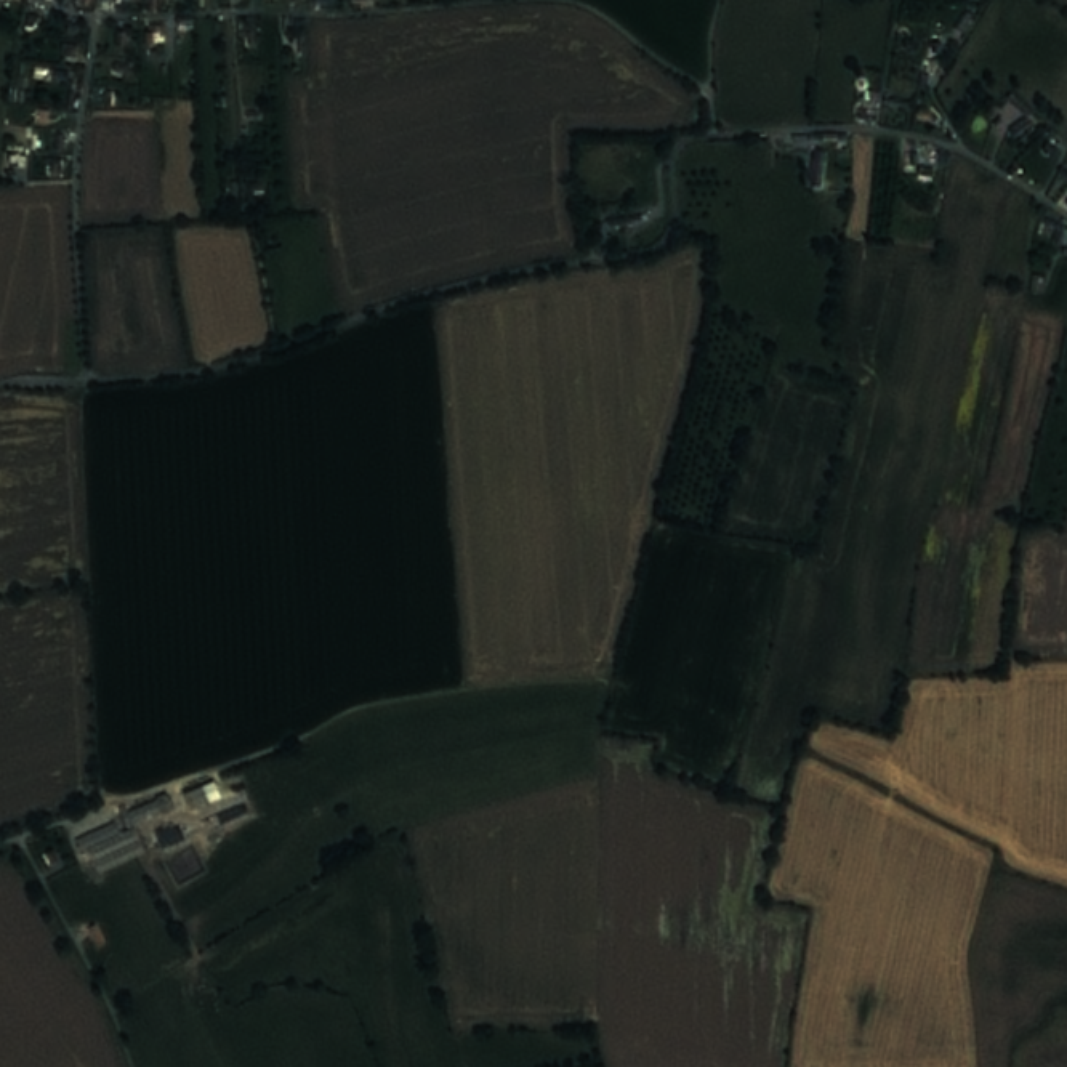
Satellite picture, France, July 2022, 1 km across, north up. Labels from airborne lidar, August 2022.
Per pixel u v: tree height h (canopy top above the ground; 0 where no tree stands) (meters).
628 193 9
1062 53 0
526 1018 0
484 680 0
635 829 0
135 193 0
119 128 0
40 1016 0
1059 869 0
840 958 0
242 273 0
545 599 0
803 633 0
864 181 0
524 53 0
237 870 0
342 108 0
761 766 0
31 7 0
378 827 0
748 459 13
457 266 0
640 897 0
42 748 0
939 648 0
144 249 0
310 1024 0
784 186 0
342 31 0
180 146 0
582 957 0
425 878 0
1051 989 0
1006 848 0
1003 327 0
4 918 0
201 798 0
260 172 11
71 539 0
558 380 0
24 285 0
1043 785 0
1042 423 6
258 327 0
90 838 0
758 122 0
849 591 0
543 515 0
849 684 0
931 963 0
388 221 0
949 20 0
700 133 8
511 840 0
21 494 0
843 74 0
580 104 0
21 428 0
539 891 0
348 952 0
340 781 0
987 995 0
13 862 12
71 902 0
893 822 0
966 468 0
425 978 18
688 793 0
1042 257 6
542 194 0
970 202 0
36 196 0
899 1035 0
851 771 0
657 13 0
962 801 0
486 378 0
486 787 0
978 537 0
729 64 0
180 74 0
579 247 12
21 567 0
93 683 12
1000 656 10
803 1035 0
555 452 0
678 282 0
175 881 0
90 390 8
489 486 0
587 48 0
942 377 0
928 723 0
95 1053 0
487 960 0
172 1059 0
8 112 0
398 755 0
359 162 0
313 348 12
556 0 0
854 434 0
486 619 0
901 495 0
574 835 0
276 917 0
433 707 0
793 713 0
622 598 0
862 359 0
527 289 0
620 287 0
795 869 0
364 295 0
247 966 0
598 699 0
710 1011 0
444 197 0
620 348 0
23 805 0
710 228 0
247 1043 0
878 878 0
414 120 0
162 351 0
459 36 0
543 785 0
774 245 0
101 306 0
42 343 0
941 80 5
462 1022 0
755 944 0
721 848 0
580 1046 0
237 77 0
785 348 0
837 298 10
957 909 0
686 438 6
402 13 0
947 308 0
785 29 0
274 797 0
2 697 0
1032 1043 0
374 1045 10
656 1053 0
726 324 10
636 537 0
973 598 0
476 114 0
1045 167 0
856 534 0
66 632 0
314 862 0
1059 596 0
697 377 11
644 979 0
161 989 0
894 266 0
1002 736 0
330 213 0
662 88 0
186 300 0
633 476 0
